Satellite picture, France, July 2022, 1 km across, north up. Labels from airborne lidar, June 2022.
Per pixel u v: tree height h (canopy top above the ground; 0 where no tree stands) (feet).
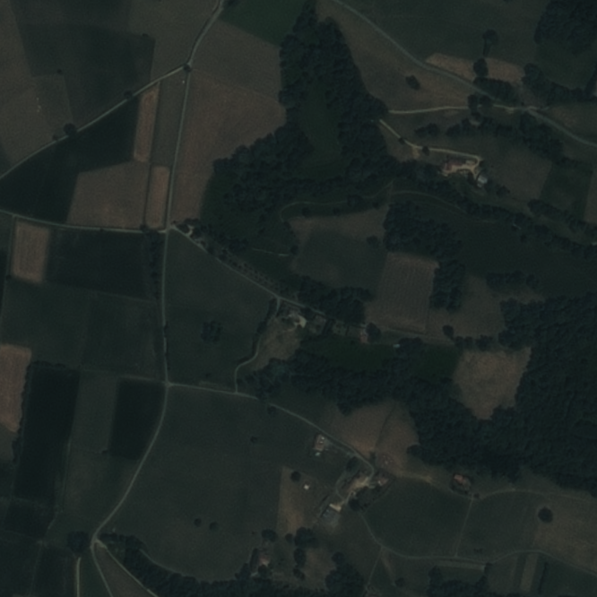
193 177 0
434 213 0
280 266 0
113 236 0
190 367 0
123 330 0
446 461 60
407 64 0
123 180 0
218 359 0
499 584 0
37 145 0
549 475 33
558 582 0
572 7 38
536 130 73
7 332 0
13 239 0
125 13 0
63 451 0
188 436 0
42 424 0
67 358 0
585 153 0
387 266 0
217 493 0
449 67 0
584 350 21
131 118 0
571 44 75
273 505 0
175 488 0
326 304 52
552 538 0
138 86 0
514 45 0
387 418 0
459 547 0
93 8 0
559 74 0
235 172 63
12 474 0
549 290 0
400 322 0
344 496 0
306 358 54
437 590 80
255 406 0
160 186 0
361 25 0
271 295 0
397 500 0
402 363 58
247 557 0
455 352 0
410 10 0
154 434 0
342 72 74
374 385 86
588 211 0
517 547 0
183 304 0
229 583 35
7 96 0
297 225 0
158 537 0
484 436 105
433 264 0
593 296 48
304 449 0
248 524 0
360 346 0
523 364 0
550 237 77
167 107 0
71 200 0
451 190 62
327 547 0
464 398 0
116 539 52
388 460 0
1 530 0
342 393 51
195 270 0
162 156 0
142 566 40
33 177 0
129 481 0
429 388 88
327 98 27
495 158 0
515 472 65
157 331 0
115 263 0
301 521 0
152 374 0
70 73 0
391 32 0
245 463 0
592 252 54
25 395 32
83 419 0
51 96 0
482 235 0
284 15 0
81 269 0
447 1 0
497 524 0
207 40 0
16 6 0
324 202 0
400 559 0
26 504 0
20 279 0
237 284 0
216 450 0
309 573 0
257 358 0
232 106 0
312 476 0
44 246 0
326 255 0
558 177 0
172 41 0
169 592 55
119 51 0
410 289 0
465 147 0
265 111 0
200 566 0
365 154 56
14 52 0
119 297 0
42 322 0
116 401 0
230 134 0
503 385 0
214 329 46
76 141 0
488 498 0
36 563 0
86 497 0
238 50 0
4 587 0
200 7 0
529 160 0
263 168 68
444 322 0
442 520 0
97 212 0
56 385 0
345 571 29
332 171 0
